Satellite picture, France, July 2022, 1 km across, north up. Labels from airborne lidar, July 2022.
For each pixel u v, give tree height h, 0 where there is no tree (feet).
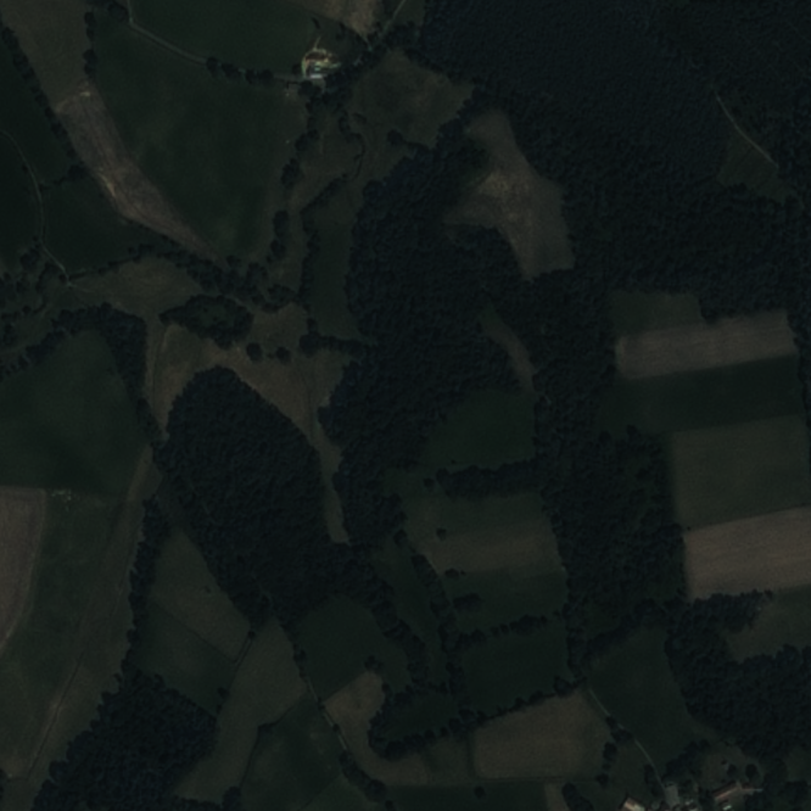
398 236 61
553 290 57
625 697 0
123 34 0
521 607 0
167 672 0
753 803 45
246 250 0
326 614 0
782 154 34
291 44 0
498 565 0
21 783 0
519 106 30
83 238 0
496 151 0
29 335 0
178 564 0
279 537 78
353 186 0
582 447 52
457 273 57
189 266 44
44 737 0
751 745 76
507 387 60
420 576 65
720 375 0
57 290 0
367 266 70
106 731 18
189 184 0
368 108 0
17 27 0
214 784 0
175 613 0
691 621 67
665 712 0
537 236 0
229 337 43
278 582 70
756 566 0
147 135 0
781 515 0
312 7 0
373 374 67
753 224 26
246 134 0
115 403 0
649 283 61
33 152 0
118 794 83
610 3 63
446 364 39
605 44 62
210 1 0
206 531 45
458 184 53
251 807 0
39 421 0
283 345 0
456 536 0
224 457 33
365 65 60
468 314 57
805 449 0
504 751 0
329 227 0
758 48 28
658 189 29
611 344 29
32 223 0
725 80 19
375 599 65
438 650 0
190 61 0
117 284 0
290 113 0
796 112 22
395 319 61
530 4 53
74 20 0
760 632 0
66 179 23
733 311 32
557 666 0
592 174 29
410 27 46
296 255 0
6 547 0
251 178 0
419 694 70
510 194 0
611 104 68
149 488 0
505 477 65
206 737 71
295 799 0
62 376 0
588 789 0
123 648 0
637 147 32
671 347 0
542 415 59
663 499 25
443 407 49
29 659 0
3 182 0
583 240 64
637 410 0
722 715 76
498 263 59
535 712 0
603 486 73
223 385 62
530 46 51
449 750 0
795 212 49
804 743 67
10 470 0
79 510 0
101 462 0
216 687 0
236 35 0
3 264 0
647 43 68
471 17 53
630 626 81
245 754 0
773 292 62
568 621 60
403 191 77
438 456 0
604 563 77
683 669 57
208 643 0
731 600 51
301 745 0
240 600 70
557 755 0
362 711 0
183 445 55
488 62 71
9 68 0
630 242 22
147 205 0
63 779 52
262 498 27
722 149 68
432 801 0
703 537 0
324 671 0
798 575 0
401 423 54
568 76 54
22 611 0
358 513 69
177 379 0
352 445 46
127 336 64
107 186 0
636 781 0
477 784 0
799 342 41
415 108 0
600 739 0
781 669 59
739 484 0
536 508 0
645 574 57
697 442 0
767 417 0
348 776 61
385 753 48
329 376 0
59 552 0
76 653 0
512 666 0
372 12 0
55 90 0
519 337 26
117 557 0
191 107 0
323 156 0
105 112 0
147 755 47
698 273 84
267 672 0
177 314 21
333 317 0
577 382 47
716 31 30
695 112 72
